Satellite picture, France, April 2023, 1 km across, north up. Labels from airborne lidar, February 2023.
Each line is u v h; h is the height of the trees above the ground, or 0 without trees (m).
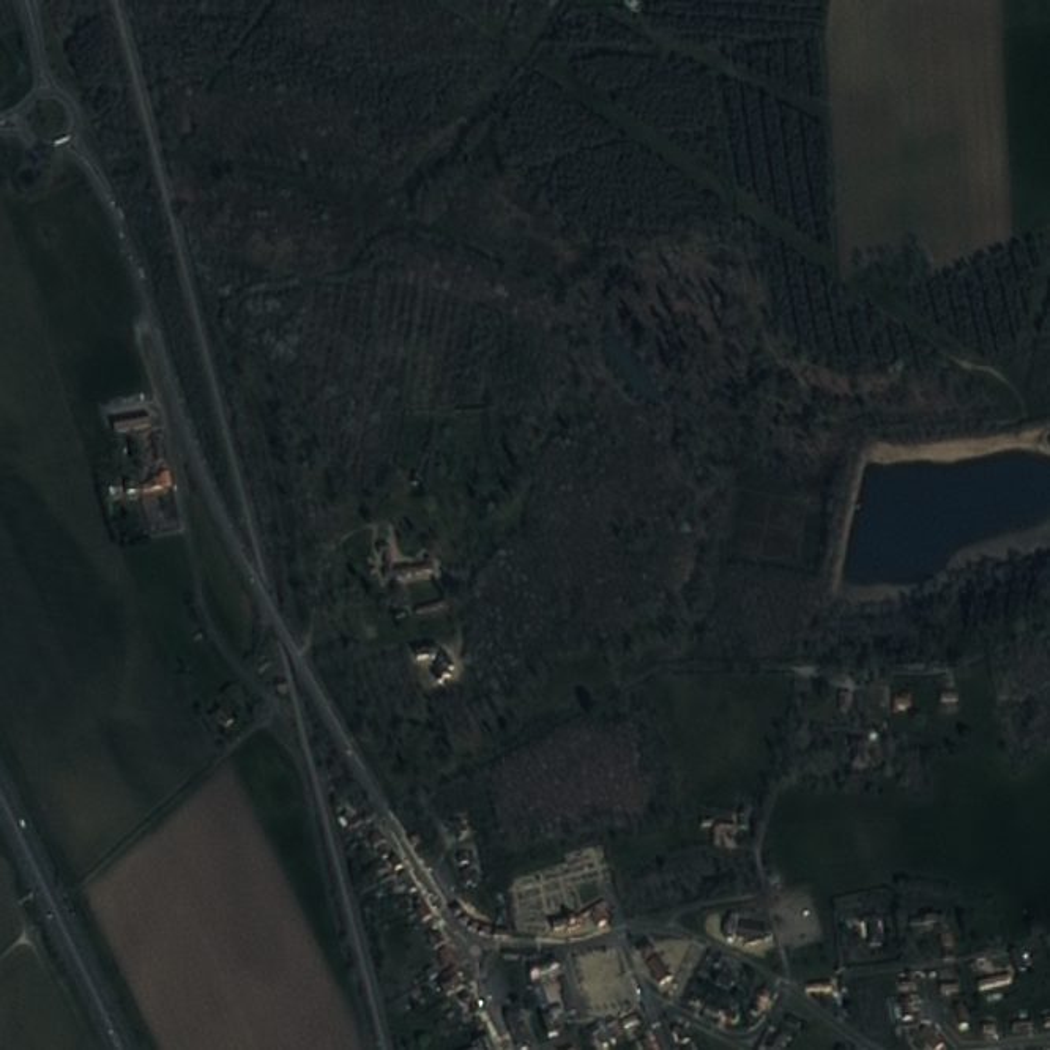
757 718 0
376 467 7
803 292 14
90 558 0
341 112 12
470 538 14
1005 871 0
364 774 0
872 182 0
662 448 14
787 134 14
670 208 12
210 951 0
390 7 11
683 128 12
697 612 25
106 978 0
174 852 0
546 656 16
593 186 14
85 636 0
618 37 15
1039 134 0
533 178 12
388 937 0
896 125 0
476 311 9
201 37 10
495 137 11
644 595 16
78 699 0
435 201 26
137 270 0
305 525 8
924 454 0
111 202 0
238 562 0
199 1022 0
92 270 0
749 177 14
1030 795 0
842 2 0
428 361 7
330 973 0
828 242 14
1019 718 6
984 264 14
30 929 0
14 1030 0
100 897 0
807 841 0
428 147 14
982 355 10
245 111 17
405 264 14
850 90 0
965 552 0
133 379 0
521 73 15
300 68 11
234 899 0
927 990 0
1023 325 13
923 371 17
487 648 16
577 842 20
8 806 0
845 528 9
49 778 0
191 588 0
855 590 0
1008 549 0
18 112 0
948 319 11
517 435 24
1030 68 0
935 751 9
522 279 15
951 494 0
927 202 0
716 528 24
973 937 6
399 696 12
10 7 13
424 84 10
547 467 12
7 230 0
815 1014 0
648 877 9
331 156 17
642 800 16
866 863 0
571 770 19
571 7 6
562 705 0
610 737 19
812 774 18
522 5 12
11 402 0
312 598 19
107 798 0
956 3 0
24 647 0
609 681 0
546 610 13
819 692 13
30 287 0
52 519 0
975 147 0
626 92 14
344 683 15
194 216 15
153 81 15
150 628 0
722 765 0
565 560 16
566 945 0
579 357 24
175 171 20
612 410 16
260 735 0
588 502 12
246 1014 0
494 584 18
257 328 8
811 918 0
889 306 0
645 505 12
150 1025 0
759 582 15
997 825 0
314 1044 0
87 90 7
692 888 13
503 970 0
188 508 0
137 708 0
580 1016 7
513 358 11
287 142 17
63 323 0
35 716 0
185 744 0
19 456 0
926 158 0
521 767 18
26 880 0
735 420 26
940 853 0
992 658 12
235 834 0
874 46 0
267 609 0
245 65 10
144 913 0
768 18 13
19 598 0
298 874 0
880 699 0
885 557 0
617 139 14
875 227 0
